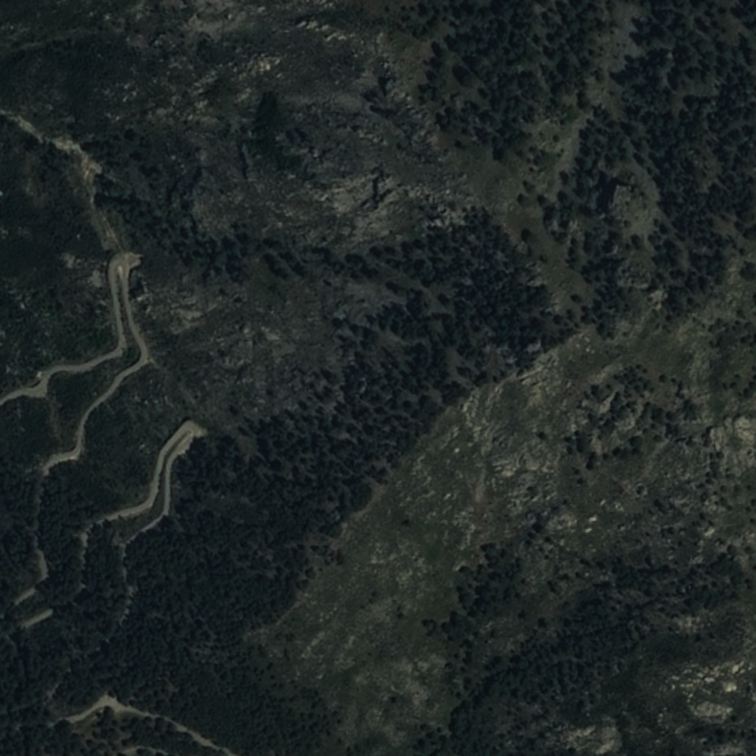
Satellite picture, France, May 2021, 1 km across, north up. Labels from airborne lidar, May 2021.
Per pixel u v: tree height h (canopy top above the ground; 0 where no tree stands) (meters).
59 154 24
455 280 14
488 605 34
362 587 0
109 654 24
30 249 6
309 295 0
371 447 18
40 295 9
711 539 0
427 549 0
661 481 0
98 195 0
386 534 0
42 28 8
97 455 6
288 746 25
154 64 7
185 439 0
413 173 0
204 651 13
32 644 26
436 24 28
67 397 7
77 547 19
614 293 15
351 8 6
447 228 6
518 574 23
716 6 23
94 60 8
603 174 7
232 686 12
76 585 29
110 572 21
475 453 0
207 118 0
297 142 13
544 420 0
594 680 19
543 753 18
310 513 20
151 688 16
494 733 16
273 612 11
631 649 12
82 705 22
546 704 20
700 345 0
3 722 28
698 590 25
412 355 14
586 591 6
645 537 11
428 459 0
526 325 20
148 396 6
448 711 0
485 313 18
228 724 19
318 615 0
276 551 14
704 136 21
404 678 0
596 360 0
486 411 0
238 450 23
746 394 17
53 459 0
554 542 22
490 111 6
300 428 13
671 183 15
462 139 0
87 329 8
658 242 12
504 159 21
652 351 0
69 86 7
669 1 32
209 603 15
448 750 29
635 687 6
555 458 0
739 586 21
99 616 24
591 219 26
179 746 24
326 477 13
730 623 7
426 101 14
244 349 0
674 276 14
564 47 27
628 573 17
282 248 22
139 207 21
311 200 0
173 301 0
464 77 29
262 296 0
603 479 0
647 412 15
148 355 0
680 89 28
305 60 0
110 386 0
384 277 18
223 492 16
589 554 0
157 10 7
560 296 0
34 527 15
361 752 17
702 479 0
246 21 0
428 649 0
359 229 15
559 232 8
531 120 16
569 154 0
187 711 23
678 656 5
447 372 16
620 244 8
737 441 0
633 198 14
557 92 22
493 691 27
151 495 0
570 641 22
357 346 21
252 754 17
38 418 6
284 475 25
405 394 15
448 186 14
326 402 24
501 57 21
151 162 23
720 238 12
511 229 0
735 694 0
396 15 32
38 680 28
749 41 26
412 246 19
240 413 18
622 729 7
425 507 0
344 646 0
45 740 22
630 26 0
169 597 20
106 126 6
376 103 26
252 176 0
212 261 14
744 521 0
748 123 23
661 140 27
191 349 0
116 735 26
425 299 18
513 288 16
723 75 19
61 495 21
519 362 10
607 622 17
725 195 21
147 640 19
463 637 29
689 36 27
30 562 25
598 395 22
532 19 18
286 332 0
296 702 14
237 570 21
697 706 0
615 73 0
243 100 9
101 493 8
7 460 22
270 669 12
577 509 0
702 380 0
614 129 27
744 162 26
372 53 0
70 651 16
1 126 7
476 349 12
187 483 12
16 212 9
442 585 0
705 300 0
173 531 18
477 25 10
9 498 19
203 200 0
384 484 12
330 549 7
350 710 0
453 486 0
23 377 7
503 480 0
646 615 15
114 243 0
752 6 22
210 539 23
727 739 24
